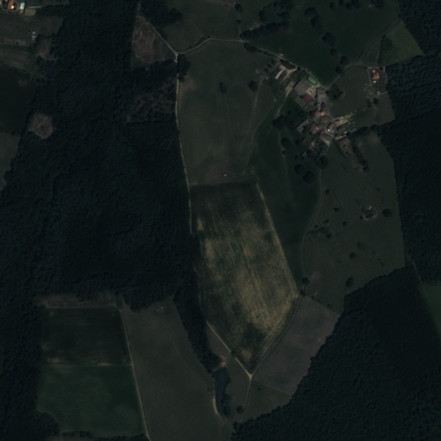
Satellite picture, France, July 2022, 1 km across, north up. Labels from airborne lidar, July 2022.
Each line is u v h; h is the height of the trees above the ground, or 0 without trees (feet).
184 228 47
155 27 65
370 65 0
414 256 25
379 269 0
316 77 0
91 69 56
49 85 57
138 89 80
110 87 72
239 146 0
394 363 31
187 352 0
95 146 59
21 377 78
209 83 0
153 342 0
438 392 87
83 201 86
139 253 36
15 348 68
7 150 0
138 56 0
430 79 48
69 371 0
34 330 52
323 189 0
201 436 0
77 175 93
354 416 41
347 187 0
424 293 0
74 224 41
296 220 0
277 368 0
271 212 0
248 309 0
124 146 82
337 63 0
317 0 0
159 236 69
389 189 0
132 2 70
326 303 0
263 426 58
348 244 0
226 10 0
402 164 40
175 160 51
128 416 0
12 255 57
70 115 70
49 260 87
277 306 0
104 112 58
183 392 0
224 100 0
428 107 50
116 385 0
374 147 0
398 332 39
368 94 0
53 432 50
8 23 0
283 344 0
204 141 0
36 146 73
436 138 72
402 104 31
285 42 0
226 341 0
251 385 0
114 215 43
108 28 53
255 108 0
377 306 37
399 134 57
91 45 61
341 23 0
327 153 0
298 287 0
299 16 0
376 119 0
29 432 53
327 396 54
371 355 65
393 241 0
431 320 30
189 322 62
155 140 38
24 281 31
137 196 78
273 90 0
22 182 69
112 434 0
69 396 0
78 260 52
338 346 64
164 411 0
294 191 0
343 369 52
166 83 32
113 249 58
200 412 0
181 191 57
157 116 50
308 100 0
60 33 47
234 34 0
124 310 0
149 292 62
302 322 0
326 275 0
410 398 57
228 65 0
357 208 0
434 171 63
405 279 31
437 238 40
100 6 67
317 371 43
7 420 78
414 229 38
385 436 70
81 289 64
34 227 66
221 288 0
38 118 0
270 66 31
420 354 30
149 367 0
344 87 0
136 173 58
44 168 79
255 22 0
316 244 0
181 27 0
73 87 68
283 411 49
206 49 0
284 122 57
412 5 69
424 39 43
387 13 0
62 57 66
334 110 0
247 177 0
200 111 0
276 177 0
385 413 70
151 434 0
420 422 78
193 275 86
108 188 55
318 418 46
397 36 0
